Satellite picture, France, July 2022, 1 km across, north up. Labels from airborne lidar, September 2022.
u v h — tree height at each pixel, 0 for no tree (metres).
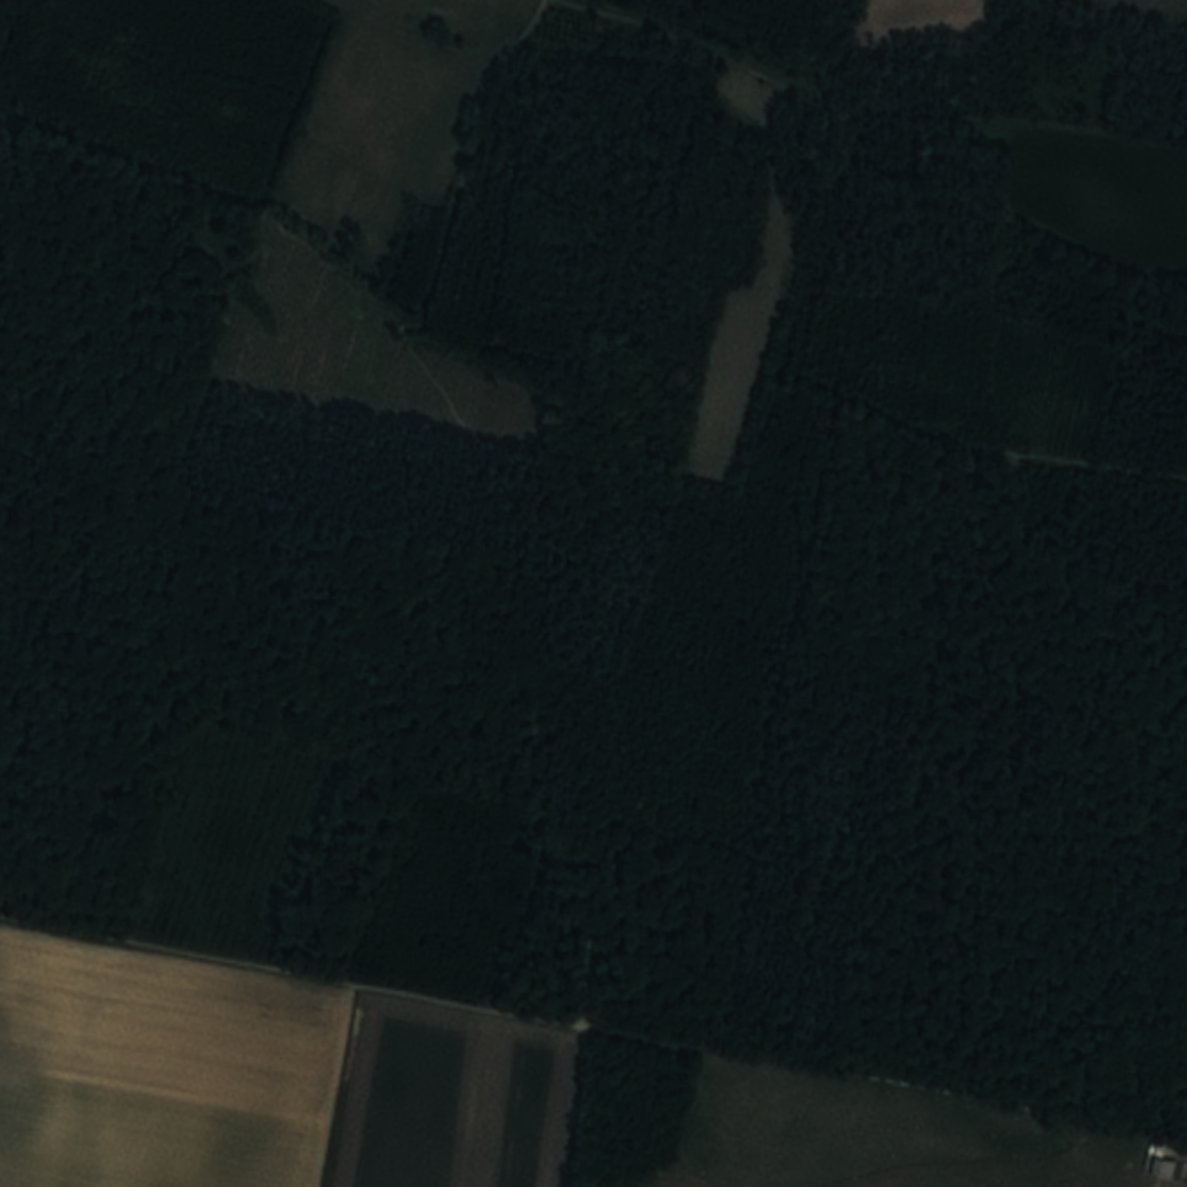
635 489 20
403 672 22
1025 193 0
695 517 20
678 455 22
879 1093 0
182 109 7
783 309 16
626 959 26
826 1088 0
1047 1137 0
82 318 23
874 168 22
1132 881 27
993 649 28
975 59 20
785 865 22
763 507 17
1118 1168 0
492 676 22
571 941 18
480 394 0
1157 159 0
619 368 20
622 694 19
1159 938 25
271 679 26
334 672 28
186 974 0
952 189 21
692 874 20
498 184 11
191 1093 0
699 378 19
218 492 24
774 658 18
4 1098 0
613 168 25
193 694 25
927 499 24
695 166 22
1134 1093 30
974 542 22
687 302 23
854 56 16
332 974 18
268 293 0
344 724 24
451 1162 0
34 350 23
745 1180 0
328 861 24
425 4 0
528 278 17
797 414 19
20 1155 0
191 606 28
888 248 25
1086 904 29
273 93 8
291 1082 0
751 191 20
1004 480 26
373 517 25
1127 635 28
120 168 22
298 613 25
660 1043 13
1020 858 28
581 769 24
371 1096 0
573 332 12
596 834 24
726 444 0
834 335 7
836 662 22
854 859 22
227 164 7
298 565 36
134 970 0
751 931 27
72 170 29
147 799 26
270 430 23
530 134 20
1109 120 18
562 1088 0
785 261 0
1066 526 20
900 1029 22
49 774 22
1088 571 26
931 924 28
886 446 24
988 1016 26
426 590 20
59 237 25
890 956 28
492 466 22
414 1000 0
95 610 25
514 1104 0
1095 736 29
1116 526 15
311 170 0
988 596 27
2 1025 0
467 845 6
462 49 9
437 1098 0
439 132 0
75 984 0
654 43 19
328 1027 0
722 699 19
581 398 22
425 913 6
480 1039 0
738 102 0
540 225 21
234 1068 0
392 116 0
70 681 25
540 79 22
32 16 7
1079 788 24
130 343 23
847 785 21
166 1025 0
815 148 25
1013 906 27
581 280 16
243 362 0
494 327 20
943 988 28
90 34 6
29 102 7
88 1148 0
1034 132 0
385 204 0
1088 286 11
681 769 17
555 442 20
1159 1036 25
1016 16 21
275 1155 0
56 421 27
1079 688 26
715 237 20
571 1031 0
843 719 27
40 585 24
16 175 25
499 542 22
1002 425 8
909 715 23
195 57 6
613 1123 20
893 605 26
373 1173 0
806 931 19
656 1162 18
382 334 0
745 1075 0
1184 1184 0
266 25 9
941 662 28
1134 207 0
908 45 16
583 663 25
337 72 0
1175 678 28
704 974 27
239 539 29
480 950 6
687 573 20
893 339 6
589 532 20
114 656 24
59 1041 0
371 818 24
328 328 0
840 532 24
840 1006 21
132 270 27
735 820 15
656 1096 22
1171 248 0
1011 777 26
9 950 0
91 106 7
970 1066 24
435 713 20
